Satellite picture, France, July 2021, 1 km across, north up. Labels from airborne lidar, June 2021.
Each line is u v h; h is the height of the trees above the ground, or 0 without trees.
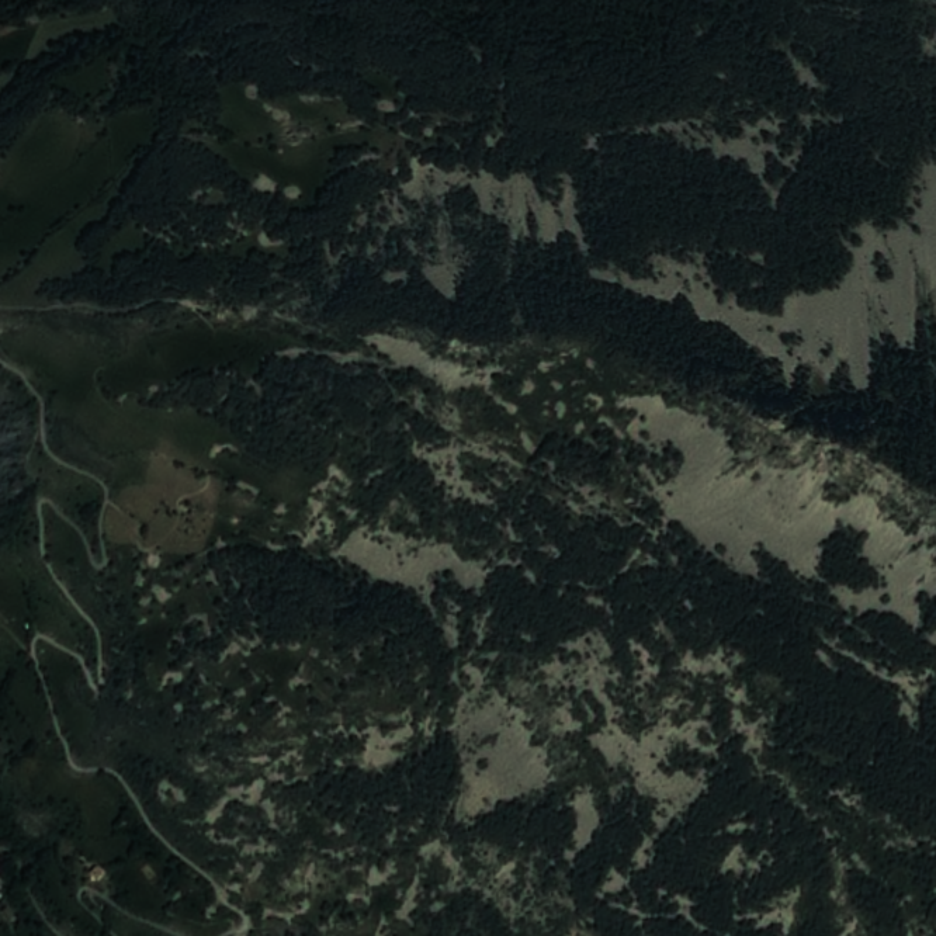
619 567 10
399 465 7
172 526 0
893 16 10
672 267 0
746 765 12
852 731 11
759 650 13
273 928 0
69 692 0
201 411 10
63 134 0
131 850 8
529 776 0
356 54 15
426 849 0
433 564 0
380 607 15
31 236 0
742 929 9
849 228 10
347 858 6
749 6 14
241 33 16
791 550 0
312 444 9
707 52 15
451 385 0
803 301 0
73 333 0
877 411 17
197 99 11
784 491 0
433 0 11
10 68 13
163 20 11
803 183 14
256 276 11
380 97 11
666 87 11
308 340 10
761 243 14
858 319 0
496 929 6
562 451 10
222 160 12
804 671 12
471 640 6
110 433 0
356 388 8
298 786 8
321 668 0
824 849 8
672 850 11
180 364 0
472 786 0
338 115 0
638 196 14
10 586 0
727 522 0
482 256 8
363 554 0
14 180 0
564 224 0
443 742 12
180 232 7
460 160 12
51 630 0
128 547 0
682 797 0
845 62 12
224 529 0
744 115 8
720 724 9
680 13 19
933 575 0
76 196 0
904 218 13
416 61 14
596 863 9
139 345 0
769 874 8
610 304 11
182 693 8
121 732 0
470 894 7
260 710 8
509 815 15
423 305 12
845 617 9
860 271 0
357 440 9
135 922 0
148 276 10
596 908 7
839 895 0
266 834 6
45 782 0
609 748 0
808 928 7
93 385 0
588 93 16
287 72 14
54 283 7
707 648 8
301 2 16
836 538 13
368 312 7
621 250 16
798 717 11
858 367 0
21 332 0
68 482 0
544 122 15
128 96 7
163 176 11
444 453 0
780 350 0
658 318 15
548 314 10
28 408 8
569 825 10
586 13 13
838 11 8
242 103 0
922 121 15
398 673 9
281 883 0
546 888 7
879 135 14
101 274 11
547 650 7
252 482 0
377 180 10
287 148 0
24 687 0
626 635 7
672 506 0
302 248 10
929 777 14
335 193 14
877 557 0
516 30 8
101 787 0
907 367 16
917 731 7
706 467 0
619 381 0
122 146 0
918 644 9
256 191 7
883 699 15
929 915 10
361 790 11
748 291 11
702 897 11
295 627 14
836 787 8
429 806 11
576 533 8
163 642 0
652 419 0
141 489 0
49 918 7
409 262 7
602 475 8
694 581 8
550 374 0
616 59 18
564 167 9
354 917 15
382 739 0
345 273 7
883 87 14
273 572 14
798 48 13
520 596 10
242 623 10
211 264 9
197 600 0
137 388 0
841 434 12
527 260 9
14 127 12
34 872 10
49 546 6
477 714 0
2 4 14
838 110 12
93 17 0
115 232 7
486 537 6
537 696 0
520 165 9
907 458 22
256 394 8
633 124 10
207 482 0
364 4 18
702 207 13
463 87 17
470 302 12
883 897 13
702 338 10
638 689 5
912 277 0
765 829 11
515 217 0
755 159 0
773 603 12
